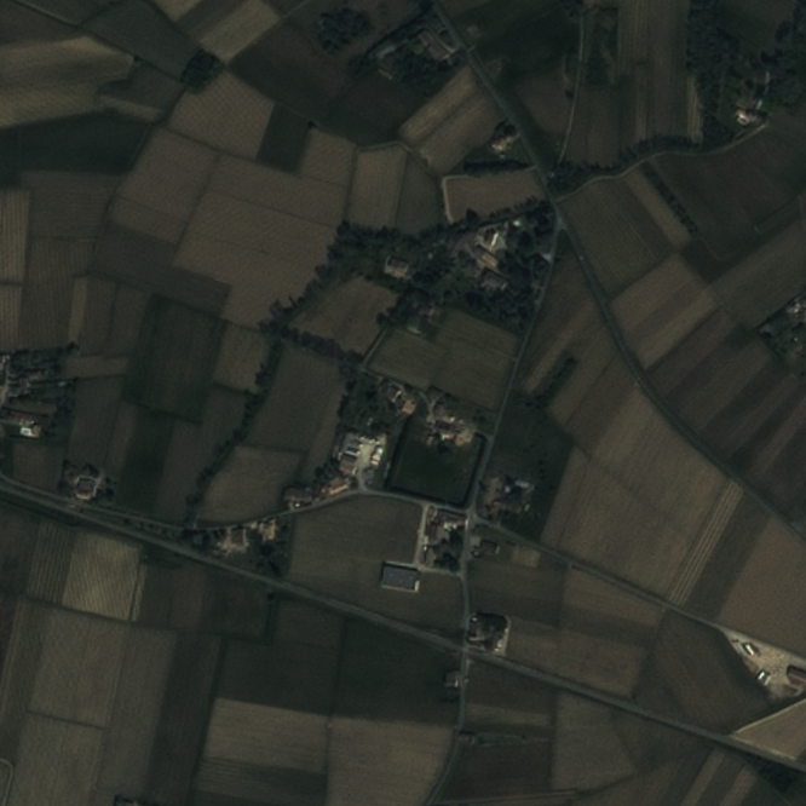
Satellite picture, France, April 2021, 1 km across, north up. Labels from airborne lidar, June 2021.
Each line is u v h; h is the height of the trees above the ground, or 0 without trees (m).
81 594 0
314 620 0
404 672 0
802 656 0
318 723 0
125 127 0
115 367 0
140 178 0
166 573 0
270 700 0
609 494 0
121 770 0
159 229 0
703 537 0
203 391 0
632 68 0
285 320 21
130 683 0
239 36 0
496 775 0
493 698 0
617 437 0
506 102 0
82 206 0
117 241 0
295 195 0
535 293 18
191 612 0
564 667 0
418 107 0
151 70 0
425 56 12
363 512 0
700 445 0
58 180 0
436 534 0
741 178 0
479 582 0
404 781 0
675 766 0
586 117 0
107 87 0
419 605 0
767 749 0
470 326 0
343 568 0
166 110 0
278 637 0
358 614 0
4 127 0
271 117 0
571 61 16
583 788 0
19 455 0
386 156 0
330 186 0
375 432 14
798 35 15
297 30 0
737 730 0
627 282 0
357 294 0
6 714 0
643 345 0
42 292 0
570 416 0
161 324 0
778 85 18
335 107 0
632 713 0
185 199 0
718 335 0
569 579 0
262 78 0
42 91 0
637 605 0
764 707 0
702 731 0
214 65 10
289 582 0
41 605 0
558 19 0
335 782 0
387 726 0
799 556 0
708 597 0
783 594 0
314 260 0
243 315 0
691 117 0
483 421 7
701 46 18
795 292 0
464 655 0
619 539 0
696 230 6
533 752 0
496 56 0
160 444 0
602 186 0
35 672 0
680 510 0
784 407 0
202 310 0
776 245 0
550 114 0
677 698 0
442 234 13
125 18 0
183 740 0
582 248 0
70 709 0
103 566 0
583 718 0
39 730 0
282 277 0
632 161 17
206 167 0
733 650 0
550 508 0
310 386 0
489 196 0
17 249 0
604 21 0
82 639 0
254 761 0
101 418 0
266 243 0
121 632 0
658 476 0
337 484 0
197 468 0
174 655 0
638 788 0
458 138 0
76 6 0
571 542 0
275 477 0
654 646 0
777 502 0
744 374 0
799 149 0
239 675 0
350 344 0
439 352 0
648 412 0
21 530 0
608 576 0
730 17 0
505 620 7
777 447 0
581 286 0
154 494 0
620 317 0
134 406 0
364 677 0
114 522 0
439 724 0
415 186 0
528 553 0
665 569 0
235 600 0
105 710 0
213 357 0
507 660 0
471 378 0
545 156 0
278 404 0
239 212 0
